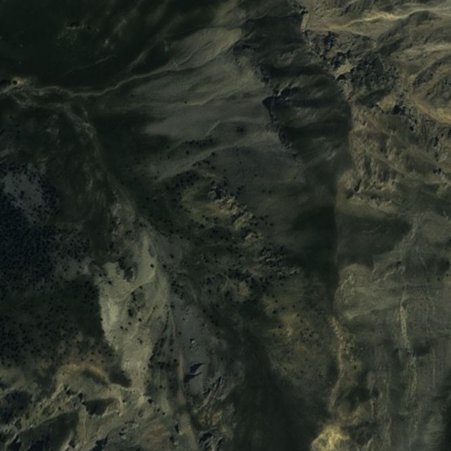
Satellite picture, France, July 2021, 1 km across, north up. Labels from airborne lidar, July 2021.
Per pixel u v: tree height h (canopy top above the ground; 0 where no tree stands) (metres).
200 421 0
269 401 0
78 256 7
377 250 0
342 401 0
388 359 0
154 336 0
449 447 0
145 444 0
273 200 0
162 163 0
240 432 0
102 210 0
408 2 0
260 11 0
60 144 0
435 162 0
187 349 0
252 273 0
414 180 0
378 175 0
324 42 0
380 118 0
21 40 0
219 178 0
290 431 0
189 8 0
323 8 0
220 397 0
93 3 0
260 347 0
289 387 0
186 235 0
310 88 0
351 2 0
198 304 0
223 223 0
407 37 0
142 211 0
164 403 0
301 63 0
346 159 0
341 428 0
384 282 0
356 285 0
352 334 0
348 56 0
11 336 7
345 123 0
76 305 0
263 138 0
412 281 0
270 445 0
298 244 0
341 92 0
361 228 0
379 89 0
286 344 0
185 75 0
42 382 0
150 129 0
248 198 0
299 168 0
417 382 0
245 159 0
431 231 0
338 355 0
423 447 0
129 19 0
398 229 0
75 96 0
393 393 0
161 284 0
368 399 0
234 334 0
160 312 0
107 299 0
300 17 0
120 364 0
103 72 0
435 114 0
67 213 0
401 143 0
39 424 0
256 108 0
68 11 0
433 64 0
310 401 0
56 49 0
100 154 0
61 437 0
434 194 0
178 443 0
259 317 0
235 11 0
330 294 0
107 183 0
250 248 0
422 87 0
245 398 0
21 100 0
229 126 0
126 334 0
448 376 0
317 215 0
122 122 0
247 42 0
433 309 0
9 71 0
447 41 0
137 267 0
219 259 0
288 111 0
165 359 0
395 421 0
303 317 0
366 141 0
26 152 0
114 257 0
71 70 0
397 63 0
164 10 0
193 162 0
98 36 0
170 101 0
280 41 0
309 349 0
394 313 0
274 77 0
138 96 0
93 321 0
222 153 0
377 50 0
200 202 0
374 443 0
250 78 0
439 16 0
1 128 0
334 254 0
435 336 0
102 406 0
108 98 0
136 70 0
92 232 0
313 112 0
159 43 0
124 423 0
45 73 0
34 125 0
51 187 9
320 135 0
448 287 0
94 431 0
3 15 0
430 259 0
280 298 0
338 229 0
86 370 0
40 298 0
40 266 9
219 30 0
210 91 0
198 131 0
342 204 0
